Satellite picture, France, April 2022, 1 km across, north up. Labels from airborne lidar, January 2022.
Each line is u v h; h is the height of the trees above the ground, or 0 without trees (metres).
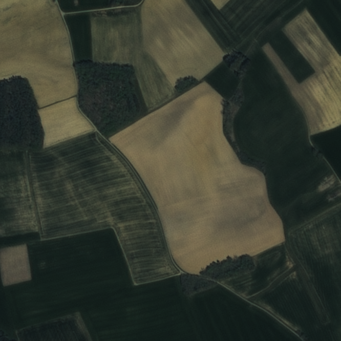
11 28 0
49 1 0
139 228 0
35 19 0
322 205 0
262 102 0
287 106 0
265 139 0
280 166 0
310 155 0
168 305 0
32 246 0
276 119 0
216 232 0
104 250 0
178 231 0
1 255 0
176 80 0
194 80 12
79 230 0
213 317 0
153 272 0
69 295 0
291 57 0
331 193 0
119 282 0
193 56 0
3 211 0
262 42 0
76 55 0
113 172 0
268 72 0
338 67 0
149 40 0
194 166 0
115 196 0
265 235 0
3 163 0
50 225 0
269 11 0
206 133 0
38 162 0
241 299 0
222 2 0
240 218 0
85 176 0
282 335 0
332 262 0
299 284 0
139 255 0
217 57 0
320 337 0
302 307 0
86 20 0
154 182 0
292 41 0
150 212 0
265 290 0
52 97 0
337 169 0
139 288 0
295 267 0
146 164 0
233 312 0
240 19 0
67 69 0
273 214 0
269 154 0
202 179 0
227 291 0
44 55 0
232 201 0
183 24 0
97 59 0
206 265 0
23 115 28
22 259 0
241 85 0
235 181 0
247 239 0
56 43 0
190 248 0
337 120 0
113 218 0
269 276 0
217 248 0
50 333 0
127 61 0
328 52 0
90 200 0
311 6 0
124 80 19
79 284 0
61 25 0
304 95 0
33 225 0
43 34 0
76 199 0
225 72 0
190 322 0
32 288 0
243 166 0
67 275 0
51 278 0
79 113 0
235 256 0
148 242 0
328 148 0
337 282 0
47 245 0
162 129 0
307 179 0
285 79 0
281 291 0
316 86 0
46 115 0
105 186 0
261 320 0
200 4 0
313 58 0
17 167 0
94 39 0
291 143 0
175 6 0
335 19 0
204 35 0
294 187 0
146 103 0
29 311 0
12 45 0
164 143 0
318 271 0
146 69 0
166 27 0
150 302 0
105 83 19
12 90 25
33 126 26
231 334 0
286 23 0
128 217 0
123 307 0
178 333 0
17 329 0
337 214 0
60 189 0
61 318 0
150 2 0
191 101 0
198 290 20
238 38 0
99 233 0
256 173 0
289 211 0
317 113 0
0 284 0
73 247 0
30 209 0
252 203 0
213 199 0
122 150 0
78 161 0
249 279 0
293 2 0
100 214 0
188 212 0
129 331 0
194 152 0
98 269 0
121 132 0
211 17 0
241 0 0
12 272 0
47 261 0
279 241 0
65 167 0
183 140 0
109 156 0
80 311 0
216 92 0
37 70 0
